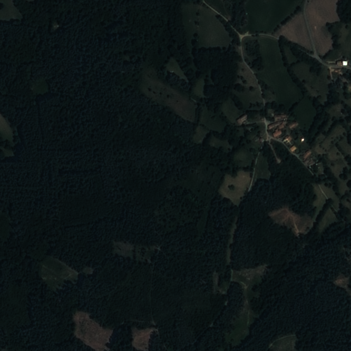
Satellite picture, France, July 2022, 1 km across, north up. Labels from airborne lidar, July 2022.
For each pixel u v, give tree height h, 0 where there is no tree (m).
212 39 0
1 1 0
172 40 9
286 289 19
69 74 26
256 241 20
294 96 0
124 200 22
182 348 12
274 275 20
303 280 23
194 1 14
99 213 13
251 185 0
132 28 13
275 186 10
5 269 29
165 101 0
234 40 12
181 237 13
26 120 28
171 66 0
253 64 12
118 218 12
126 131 16
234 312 24
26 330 26
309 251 30
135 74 10
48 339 32
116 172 21
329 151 0
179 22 23
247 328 0
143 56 12
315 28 0
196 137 0
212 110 8
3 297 7
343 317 27
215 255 28
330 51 11
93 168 10
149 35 12
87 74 39
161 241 19
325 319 27
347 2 18
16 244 11
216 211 7
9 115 30
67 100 18
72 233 21
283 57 11
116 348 15
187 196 13
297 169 6
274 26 0
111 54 19
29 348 20
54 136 26
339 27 0
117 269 24
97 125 29
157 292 6
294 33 0
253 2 0
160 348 18
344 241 22
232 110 0
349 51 0
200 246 14
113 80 19
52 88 19
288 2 0
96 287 20
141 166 17
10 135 0
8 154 0
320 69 13
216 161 8
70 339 16
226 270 14
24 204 27
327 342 31
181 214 15
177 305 5
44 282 25
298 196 22
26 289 26
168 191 14
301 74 0
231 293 30
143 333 0
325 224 0
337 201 0
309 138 13
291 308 17
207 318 6
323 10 0
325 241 20
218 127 0
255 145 0
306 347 22
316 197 15
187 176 17
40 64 23
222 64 23
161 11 23
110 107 19
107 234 30
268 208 21
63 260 25
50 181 37
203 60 29
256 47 7
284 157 7
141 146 15
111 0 13
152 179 17
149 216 11
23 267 22
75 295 22
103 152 18
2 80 35
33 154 32
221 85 20
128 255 0
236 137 6
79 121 22
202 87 0
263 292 18
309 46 0
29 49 6
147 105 21
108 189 18
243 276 0
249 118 8
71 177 35
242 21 14
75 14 14
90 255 17
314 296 27
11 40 22
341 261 23
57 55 29
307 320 27
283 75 0
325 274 6
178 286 5
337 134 0
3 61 6
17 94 16
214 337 19
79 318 0
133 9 19
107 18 10
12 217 22
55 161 35
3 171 33
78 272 31
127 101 21
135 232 21
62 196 21
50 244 34
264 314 13
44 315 34
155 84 0
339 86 10
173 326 7
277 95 0
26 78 20
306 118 0
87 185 19
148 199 19
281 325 19
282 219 0
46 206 29
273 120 7
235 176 8
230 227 21
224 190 0
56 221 20
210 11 0
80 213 12
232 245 11
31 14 13
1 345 13
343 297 13
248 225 19
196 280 16
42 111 35
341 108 0
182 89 7
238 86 18
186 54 21
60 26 6
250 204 17
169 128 15
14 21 18
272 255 24
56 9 18
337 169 0
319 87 0
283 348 0
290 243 24
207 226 12
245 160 0
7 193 26
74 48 27
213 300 8
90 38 24
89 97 33
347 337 28
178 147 14
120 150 20
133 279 6
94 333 0
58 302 23
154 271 8
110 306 8
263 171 0
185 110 0
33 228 21
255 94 0
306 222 0
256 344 25
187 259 17
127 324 9
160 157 18
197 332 9
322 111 14
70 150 27
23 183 35
